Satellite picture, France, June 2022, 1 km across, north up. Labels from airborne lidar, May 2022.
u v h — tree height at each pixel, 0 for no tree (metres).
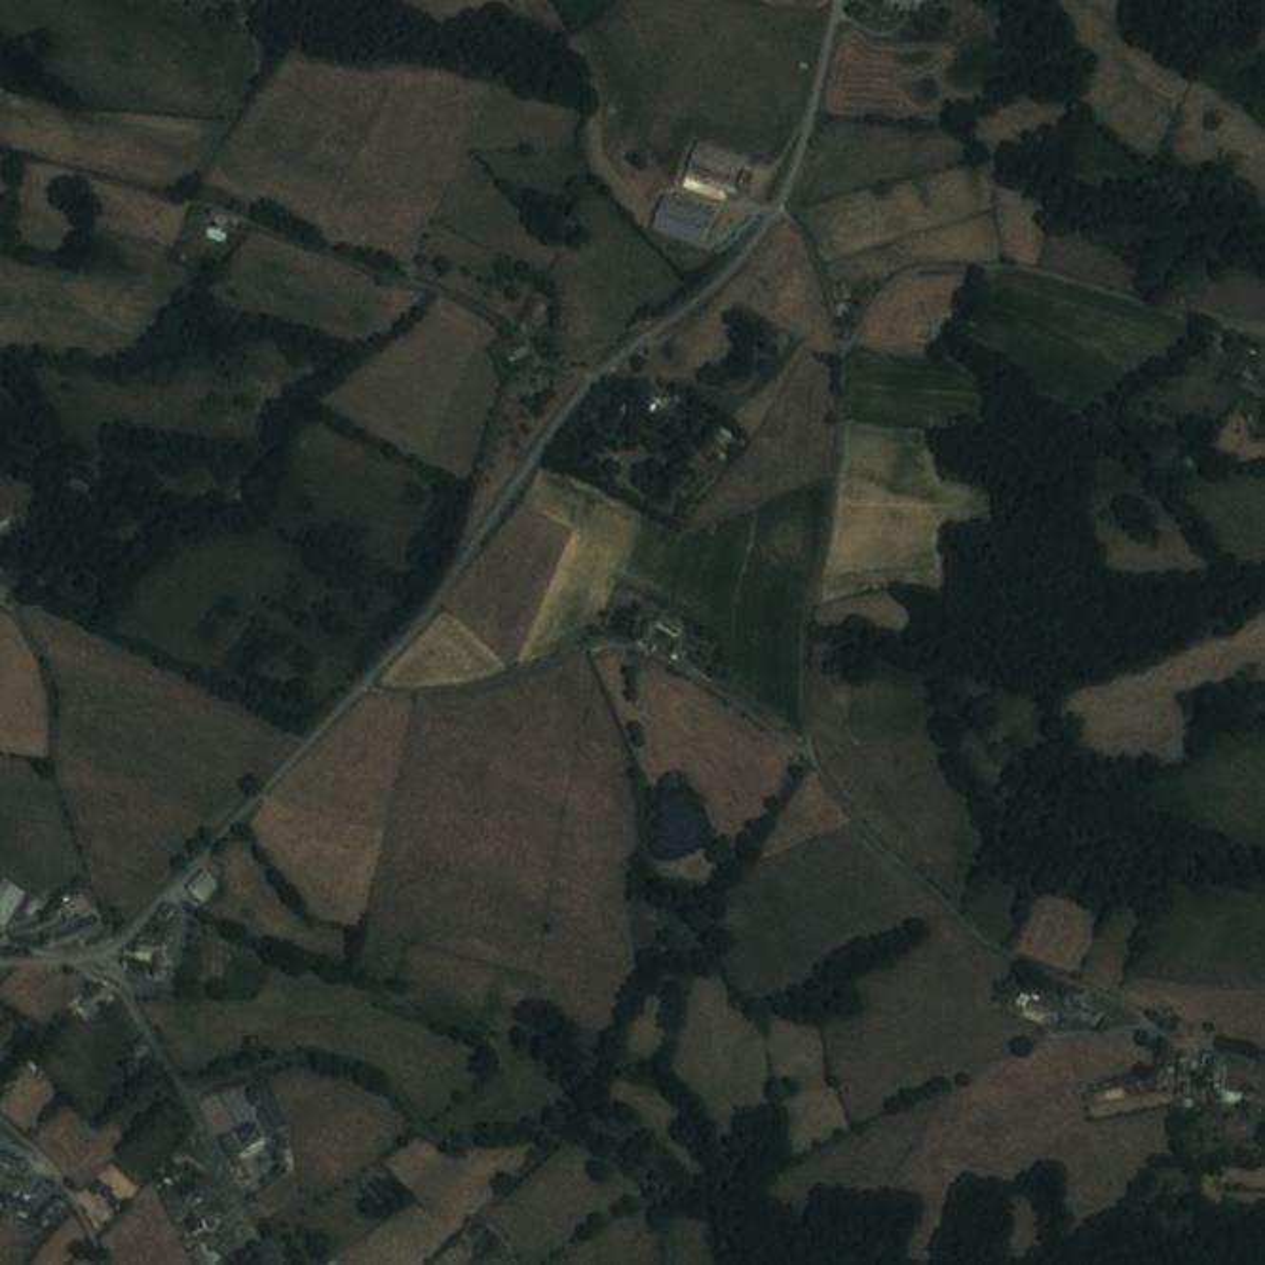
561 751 0
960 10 0
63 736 0
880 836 0
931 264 0
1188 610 13
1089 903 20
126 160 0
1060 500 25
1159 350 0
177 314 16
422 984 0
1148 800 10
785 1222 19
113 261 0
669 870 0
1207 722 21
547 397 9
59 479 12
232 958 0
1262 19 10
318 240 14
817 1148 12
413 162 0
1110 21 0
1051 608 19
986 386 17
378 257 8
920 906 0
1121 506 15
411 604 12
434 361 0
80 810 0
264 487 22
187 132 0
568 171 0
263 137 0
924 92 0
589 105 20
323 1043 0
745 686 0
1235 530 0
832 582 0
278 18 18
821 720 0
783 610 0
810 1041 0
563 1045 27
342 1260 0
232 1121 0
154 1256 0
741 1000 9
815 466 0
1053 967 0
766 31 0
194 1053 0
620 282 0
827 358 8
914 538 0
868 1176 0
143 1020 0
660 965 20
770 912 0
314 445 0
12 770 0
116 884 0
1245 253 19
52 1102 6
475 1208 0
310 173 0
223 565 0
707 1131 23
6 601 0
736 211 0
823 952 0
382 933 0
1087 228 17
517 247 0
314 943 0
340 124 0
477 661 0
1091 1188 0
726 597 0
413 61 11
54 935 0
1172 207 15
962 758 8
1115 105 0
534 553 0
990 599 17
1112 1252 17
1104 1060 0
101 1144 0
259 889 0
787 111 0
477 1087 6
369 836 0
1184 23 19
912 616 14
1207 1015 0
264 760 0
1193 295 0
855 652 15
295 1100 0
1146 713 0
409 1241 0
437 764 0
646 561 0
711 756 0
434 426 0
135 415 0
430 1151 0
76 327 0
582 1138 14
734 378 21
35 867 0
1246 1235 19
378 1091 17
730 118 0
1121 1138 0
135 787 0
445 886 0
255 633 6
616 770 0
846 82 0
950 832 0
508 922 0
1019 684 28
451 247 0
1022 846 22
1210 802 0
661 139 0
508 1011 0
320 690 0
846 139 0
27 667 0
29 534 13
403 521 0
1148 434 13
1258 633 0
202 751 0
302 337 14
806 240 0
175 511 12
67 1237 0
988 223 0
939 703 16
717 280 0
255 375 0
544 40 18
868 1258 16
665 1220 19
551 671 0
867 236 0
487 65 10
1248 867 22
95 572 16
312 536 10
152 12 0
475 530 0
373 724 0
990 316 0
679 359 0
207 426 0
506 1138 21
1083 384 0
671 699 0
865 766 0
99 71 0
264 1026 0
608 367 0
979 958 0
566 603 0
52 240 0
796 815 0
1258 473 18
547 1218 0
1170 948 0
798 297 0
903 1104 13
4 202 16
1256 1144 9
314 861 0
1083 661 21
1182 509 20
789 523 0
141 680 0
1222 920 0
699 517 0
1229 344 13
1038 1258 12
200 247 0
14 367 16
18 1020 5
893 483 0
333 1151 0
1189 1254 11
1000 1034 0
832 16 0
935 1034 0
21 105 0
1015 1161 0
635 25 0
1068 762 20
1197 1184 8
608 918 0
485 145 0
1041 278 0
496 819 0
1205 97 0
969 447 13
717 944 23
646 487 7
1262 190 0
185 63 0
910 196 0
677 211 0
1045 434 20
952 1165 0
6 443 13
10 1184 0
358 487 0
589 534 0
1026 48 17
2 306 0
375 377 0
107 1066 0
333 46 11
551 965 0
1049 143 22
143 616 0
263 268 0
